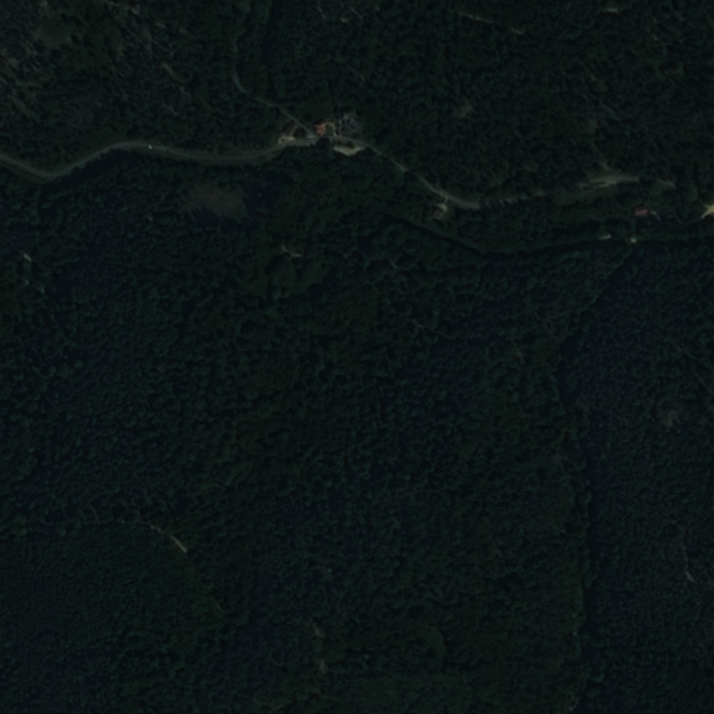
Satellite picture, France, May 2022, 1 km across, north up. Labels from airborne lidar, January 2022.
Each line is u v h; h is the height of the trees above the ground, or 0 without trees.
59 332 36
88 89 26
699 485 26
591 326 17
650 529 25
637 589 27
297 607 21
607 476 29
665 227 14
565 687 19
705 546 20
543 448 24
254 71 8
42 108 21
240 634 33
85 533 18
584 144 12
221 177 28
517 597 26
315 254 12
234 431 33
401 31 30
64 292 9
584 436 39
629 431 24
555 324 19
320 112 0
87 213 42
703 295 31
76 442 20
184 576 15
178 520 10
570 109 25
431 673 28
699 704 20
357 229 7
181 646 14
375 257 31
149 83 28
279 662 21
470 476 13
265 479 22
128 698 17
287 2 23
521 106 22
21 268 23
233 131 32
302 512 19
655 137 26
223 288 35
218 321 16
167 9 26
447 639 25
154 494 29
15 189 21
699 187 29
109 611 13
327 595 19
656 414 26
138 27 29
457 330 32
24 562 21
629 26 23
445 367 32
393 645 27
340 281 25
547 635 26
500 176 12
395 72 30
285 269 18
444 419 31
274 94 25
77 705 24
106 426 29
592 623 10
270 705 18
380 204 11
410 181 22
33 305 39
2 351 32
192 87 28
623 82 31
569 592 23
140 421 31
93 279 32
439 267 30
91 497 28
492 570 30
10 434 38
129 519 23
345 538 22
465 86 31
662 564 25
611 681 32
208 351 7
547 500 24
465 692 25
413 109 27
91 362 26
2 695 27
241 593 24
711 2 11
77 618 18
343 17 17
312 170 7
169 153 0
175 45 30
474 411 20
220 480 36
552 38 17
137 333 26
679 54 34
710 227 24
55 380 35
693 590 23
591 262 20
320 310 31
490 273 36
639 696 26
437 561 22
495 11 21
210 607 15
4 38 25
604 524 32
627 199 20
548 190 51
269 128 30
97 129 21
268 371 26
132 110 28
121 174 22
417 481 24
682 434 26
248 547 21
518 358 18
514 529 23
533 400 21
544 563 23
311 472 14
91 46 30
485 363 26
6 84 24
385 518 16
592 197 0
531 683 26
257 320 29
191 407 30
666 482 21
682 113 33
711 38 26
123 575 11
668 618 22
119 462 24
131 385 27
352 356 14
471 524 26
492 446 13
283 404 20
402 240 24
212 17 27
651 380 25
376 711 21
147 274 27
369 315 16
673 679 23
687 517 20
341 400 9
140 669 23
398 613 34
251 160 0
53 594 20
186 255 20
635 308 30
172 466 33
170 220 29
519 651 25
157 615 10
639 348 26
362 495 16
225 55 23
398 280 23
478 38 13
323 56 26
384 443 15
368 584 21
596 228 22
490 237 23
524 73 20
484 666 31
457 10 17
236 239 25
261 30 26
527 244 25
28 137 23
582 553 19
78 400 28
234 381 30
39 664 28
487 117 23
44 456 32
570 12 22
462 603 32
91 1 14
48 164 19
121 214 34
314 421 14
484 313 37
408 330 17
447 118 32
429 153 8
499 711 24
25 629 20
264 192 26
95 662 26
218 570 25
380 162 21
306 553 16
